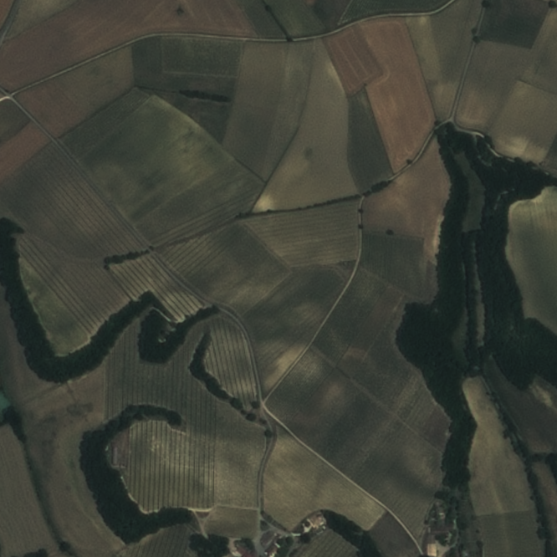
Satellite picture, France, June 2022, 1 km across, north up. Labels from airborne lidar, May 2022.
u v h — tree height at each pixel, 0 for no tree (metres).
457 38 0
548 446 0
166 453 0
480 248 21
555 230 0
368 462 0
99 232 0
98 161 0
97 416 0
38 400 0
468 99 0
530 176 15
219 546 14
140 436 0
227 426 0
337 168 0
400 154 0
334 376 0
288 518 0
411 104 0
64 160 0
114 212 0
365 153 0
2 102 0
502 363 18
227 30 0
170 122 0
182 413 0
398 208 0
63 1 0
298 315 0
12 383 0
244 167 0
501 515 0
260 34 0
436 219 0
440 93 0
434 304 9
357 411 0
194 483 0
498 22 0
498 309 14
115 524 15
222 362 0
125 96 0
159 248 0
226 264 0
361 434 0
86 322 0
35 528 0
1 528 0
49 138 0
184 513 14
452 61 0
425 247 0
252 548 8
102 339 16
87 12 0
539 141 0
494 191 19
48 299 0
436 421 0
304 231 0
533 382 7
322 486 0
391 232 11
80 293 0
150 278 0
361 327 0
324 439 0
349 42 0
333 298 0
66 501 0
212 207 0
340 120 0
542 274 0
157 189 0
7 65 0
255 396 0
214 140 0
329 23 0
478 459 0
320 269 0
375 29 0
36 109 0
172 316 0
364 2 0
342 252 0
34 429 0
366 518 0
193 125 0
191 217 0
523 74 0
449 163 12
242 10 0
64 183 0
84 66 0
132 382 0
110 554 0
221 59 0
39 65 0
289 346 0
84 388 0
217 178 0
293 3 0
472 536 0
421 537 0
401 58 0
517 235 0
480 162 12
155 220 0
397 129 0
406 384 0
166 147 0
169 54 0
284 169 0
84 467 16
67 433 0
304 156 0
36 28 0
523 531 0
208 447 0
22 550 0
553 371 19
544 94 0
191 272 0
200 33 0
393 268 0
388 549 0
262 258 0
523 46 0
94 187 0
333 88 0
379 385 0
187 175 0
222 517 0
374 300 0
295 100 0
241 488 0
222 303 0
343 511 0
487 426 0
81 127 0
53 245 0
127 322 22
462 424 13
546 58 0
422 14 0
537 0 0
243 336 0
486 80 0
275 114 0
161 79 0
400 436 0
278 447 0
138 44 0
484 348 13
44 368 18
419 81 0
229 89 0
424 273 0
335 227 0
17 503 0
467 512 0
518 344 9
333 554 0
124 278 0
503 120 0
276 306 0
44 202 0
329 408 0
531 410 0
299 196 0
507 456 0
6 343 0
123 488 10
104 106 0
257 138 0
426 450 0
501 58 0
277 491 0
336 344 0
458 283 21
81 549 0
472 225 0
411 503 0
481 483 0
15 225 11
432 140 0
